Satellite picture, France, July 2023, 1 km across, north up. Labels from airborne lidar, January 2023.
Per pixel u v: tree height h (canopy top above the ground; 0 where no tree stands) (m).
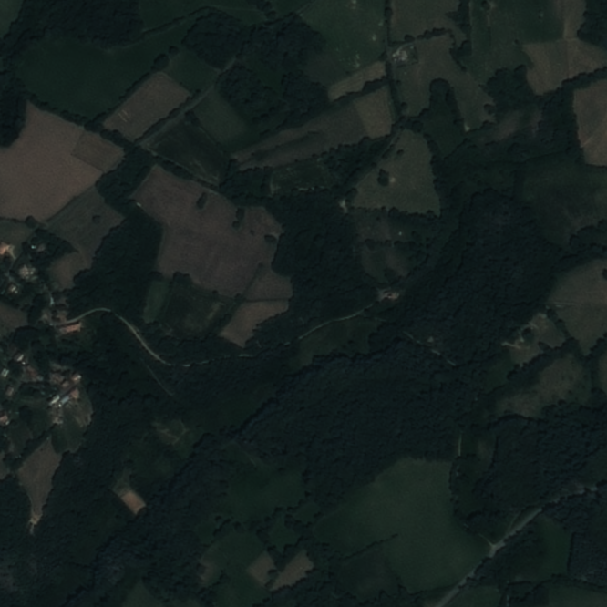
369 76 0
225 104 0
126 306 9
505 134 0
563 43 0
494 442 0
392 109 0
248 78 13
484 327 20
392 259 0
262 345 13
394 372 24
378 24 0
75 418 0
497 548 0
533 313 19
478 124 0
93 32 7
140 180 15
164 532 19
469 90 0
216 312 0
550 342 0
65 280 0
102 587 22
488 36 0
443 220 14
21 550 9
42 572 12
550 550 0
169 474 0
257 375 20
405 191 0
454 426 8
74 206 0
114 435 24
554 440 20
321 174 0
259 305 0
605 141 0
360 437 19
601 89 0
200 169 0
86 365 21
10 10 0
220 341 16
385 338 20
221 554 0
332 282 10
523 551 15
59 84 0
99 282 10
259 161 0
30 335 24
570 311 0
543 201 0
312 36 21
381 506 0
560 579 12
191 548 12
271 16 17
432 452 19
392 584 0
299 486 0
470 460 12
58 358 25
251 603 0
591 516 23
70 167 0
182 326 0
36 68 0
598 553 27
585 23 6
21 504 18
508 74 8
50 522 15
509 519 16
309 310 13
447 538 0
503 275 7
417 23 0
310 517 0
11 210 0
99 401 21
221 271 0
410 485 0
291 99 18
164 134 0
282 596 23
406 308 11
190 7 0
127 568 23
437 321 8
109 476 12
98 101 0
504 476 27
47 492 0
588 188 0
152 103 0
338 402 16
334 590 17
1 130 22
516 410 0
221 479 26
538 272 8
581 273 0
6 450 11
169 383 16
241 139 0
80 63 0
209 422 0
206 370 9
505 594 9
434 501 0
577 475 25
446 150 0
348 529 0
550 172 0
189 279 17
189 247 0
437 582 0
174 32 0
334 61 0
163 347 18
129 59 0
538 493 20
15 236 0
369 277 15
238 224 12
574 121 22
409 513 0
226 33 15
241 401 0
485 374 17
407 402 18
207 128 0
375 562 0
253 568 0
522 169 10
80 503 26
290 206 15
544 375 0
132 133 0
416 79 0
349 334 0
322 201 16
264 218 0
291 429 22
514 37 0
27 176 0
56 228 0
